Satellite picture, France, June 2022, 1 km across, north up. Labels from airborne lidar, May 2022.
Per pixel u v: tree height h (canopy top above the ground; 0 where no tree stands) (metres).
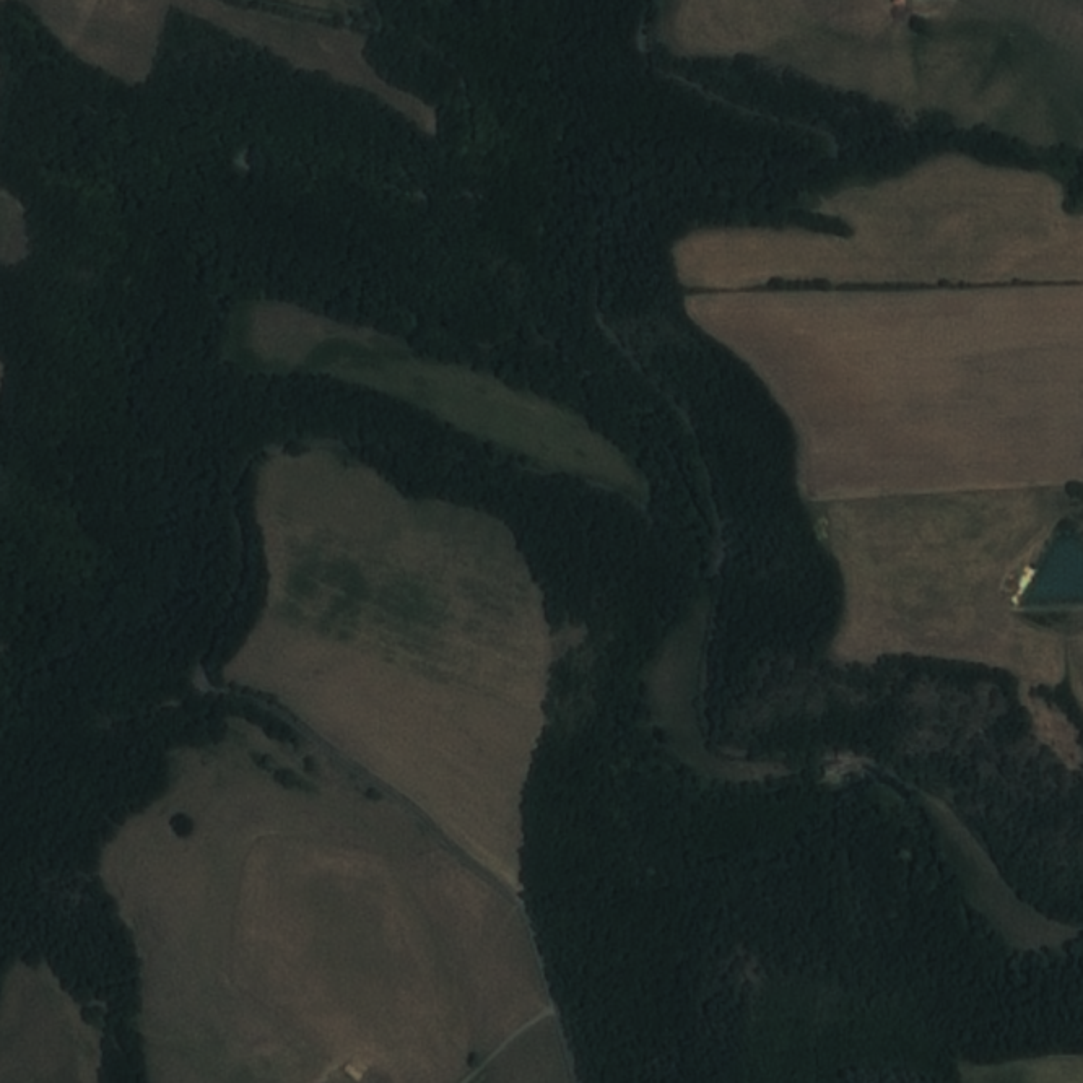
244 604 18
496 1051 0
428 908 0
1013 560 0
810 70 0
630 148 31
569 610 9
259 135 20
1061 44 0
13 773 21
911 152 24
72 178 15
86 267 13
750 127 17
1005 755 6
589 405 21
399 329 15
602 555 17
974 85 0
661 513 19
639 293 11
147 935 0
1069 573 0
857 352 0
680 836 21
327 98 18
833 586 10
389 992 0
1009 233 0
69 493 17
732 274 0
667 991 18
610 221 19
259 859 0
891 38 0
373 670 0
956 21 0
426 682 0
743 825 8
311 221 23
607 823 21
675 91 15
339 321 14
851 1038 7
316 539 0
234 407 21
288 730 13
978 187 0
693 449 24
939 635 0
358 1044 0
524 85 20
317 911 0
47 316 17
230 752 0
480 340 17
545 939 13
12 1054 0
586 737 13
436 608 0
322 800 0
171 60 8
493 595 0
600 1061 14
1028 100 0
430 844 0
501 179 21
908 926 9
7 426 14
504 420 0
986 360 0
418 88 9
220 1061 0
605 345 18
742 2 0
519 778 0
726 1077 15
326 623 0
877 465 0
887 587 0
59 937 16
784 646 8
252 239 24
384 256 16
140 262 19
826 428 0
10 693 7
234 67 11
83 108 19
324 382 19
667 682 0
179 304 29
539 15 19
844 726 12
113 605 26
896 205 0
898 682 9
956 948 20
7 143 13
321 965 0
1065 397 0
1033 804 8
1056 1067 0
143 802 13
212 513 23
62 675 25
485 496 14
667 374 10
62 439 22
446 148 15
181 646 24
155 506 24
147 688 20
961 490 0
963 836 0
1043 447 0
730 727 7
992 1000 23
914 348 0
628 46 11
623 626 13
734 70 8
